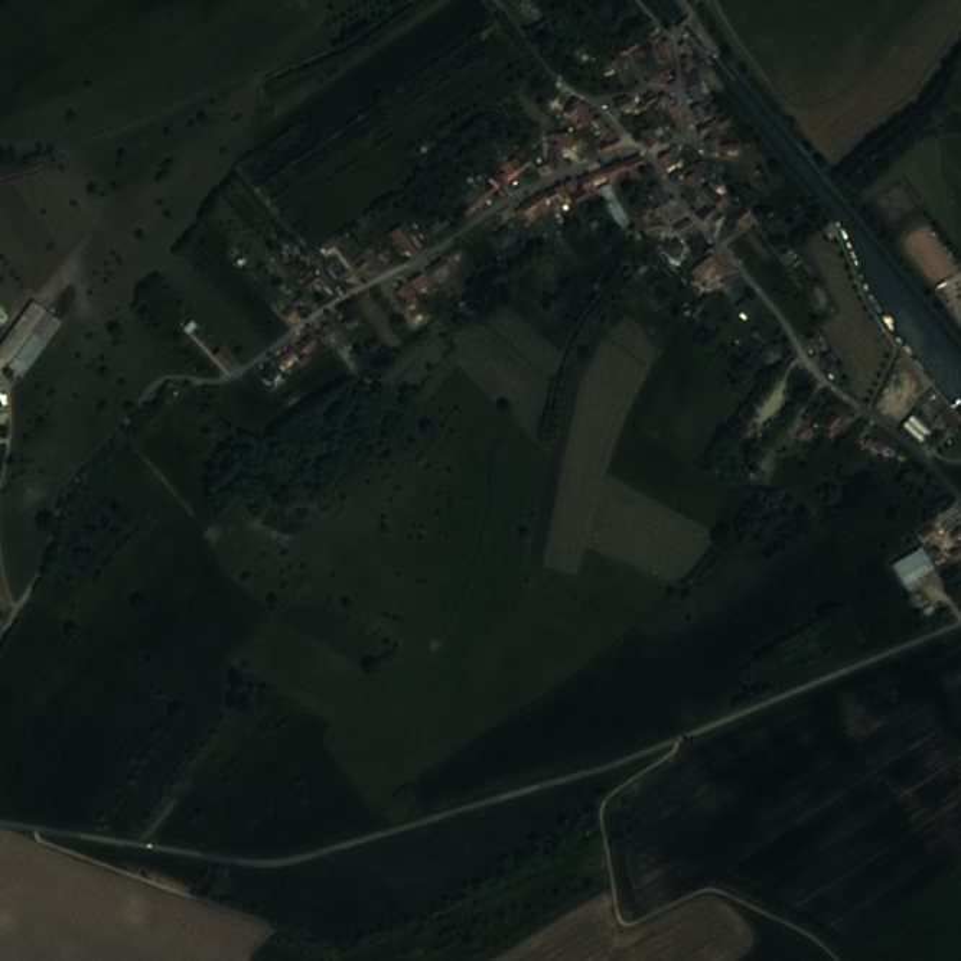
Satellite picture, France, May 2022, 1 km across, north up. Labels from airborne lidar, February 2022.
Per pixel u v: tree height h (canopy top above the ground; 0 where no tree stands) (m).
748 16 0
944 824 0
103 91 0
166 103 0
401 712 0
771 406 0
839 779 0
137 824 0
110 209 0
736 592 0
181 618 0
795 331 0
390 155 0
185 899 0
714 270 0
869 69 0
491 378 0
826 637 0
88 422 0
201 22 0
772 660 18
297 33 0
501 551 0
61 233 0
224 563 0
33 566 0
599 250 0
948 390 0
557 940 0
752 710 0
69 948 0
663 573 0
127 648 0
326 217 0
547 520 0
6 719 0
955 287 0
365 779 0
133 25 0
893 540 0
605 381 0
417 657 0
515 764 0
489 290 30
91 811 0
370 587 0
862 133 0
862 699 0
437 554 0
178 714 12
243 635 0
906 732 0
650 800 0
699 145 0
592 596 0
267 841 0
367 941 9
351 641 0
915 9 0
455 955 0
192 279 0
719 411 0
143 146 0
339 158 0
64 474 0
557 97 0
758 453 20
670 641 0
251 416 0
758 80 0
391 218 0
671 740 0
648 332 0
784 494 7
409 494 0
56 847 0
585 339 0
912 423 0
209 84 0
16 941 0
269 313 0
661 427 0
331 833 0
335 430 13
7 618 0
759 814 0
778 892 0
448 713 0
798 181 0
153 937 0
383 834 0
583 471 0
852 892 0
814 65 0
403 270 0
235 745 0
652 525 0
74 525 0
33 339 0
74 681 0
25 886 0
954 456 0
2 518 0
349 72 0
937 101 11
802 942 0
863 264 0
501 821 0
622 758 0
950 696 0
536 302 0
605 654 0
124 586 0
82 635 10
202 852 0
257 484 25
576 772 0
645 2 0
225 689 0
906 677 0
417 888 0
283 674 0
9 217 0
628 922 0
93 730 0
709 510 0
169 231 0
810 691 0
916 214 0
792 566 0
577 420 0
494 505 0
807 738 0
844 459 0
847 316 0
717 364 0
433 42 0
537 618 0
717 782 0
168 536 0
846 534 0
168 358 0
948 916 0
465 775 0
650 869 0
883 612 0
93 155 0
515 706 0
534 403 0
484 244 0
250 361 0
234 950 0
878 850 0
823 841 0
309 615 0
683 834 0
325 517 0
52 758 0
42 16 0
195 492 0
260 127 0
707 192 0
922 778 0
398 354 10
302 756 0
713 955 0
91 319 0
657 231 0
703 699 0
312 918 0
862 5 0
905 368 0
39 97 0
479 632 0
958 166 0
